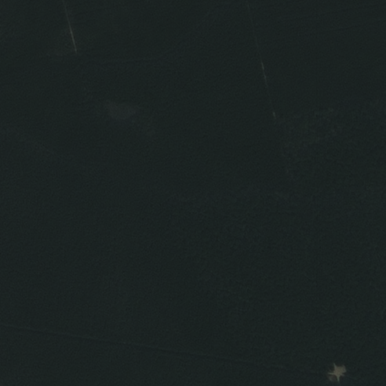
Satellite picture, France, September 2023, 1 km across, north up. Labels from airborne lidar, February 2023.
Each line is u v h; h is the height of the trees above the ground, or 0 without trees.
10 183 17
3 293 25
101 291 12
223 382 23
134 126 13
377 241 35
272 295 35
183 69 23
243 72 24
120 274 15
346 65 17
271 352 32
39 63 14
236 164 22
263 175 21
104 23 9
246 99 22
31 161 21
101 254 18
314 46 19
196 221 32
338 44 19
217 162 20
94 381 19
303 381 26
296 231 30
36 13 12
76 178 22
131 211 21
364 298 34
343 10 14
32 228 19
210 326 20
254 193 34
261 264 35
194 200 26
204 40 26
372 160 31
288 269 34
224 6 24
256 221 32
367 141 35
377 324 30
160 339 20
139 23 13
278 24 16
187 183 21
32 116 10
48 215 20
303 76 17
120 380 19
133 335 20
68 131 13
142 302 19
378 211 35
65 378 18
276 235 34
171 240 25
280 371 25
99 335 20
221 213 30
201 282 29
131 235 16
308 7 12
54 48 7
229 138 21
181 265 24
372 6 16
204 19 17
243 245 31
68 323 19
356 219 32
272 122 16
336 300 37
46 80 13
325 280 34
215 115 20
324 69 17
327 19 13
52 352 19
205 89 21
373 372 31
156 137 17
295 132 15
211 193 29
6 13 9
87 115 11
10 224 19
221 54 24
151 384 20
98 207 17
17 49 14
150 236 18
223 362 22
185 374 14
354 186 31
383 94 14
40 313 23
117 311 15
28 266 23
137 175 20
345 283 35
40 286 22
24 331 21
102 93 17
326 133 24
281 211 34
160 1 11
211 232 34
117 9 8
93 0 9
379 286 35
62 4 7
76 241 19
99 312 20
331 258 37
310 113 29
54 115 11
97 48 7
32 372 16
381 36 18
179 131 21
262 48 17
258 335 31
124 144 20
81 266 18
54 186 23
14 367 17
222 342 22
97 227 15
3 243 22
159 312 20
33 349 21
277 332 34
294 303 35
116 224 18
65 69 15
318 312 38
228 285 32
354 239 35
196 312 21
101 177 27
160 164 19
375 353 35
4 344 21
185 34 15
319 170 30
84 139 14
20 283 24
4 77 8
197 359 17
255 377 24
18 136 22
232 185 22
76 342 20
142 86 21
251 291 32
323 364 32
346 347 33
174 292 21
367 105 19
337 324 32
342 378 0
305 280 35
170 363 18
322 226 37
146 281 19
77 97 11
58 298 21
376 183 32
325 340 32
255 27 16
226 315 26
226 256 32
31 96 9
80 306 21
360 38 15
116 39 7
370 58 18
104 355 20
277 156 23
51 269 22
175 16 11
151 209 21
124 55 11
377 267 34
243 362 23
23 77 10
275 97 18
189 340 17
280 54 18
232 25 24
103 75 23
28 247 20
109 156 20
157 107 17
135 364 21
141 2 10
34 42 10
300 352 33
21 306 24
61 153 19
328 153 36
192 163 21
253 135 24
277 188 30
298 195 32
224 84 22
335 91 20
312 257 36
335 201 34
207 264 29
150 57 14
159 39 11
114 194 22
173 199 29
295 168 33
